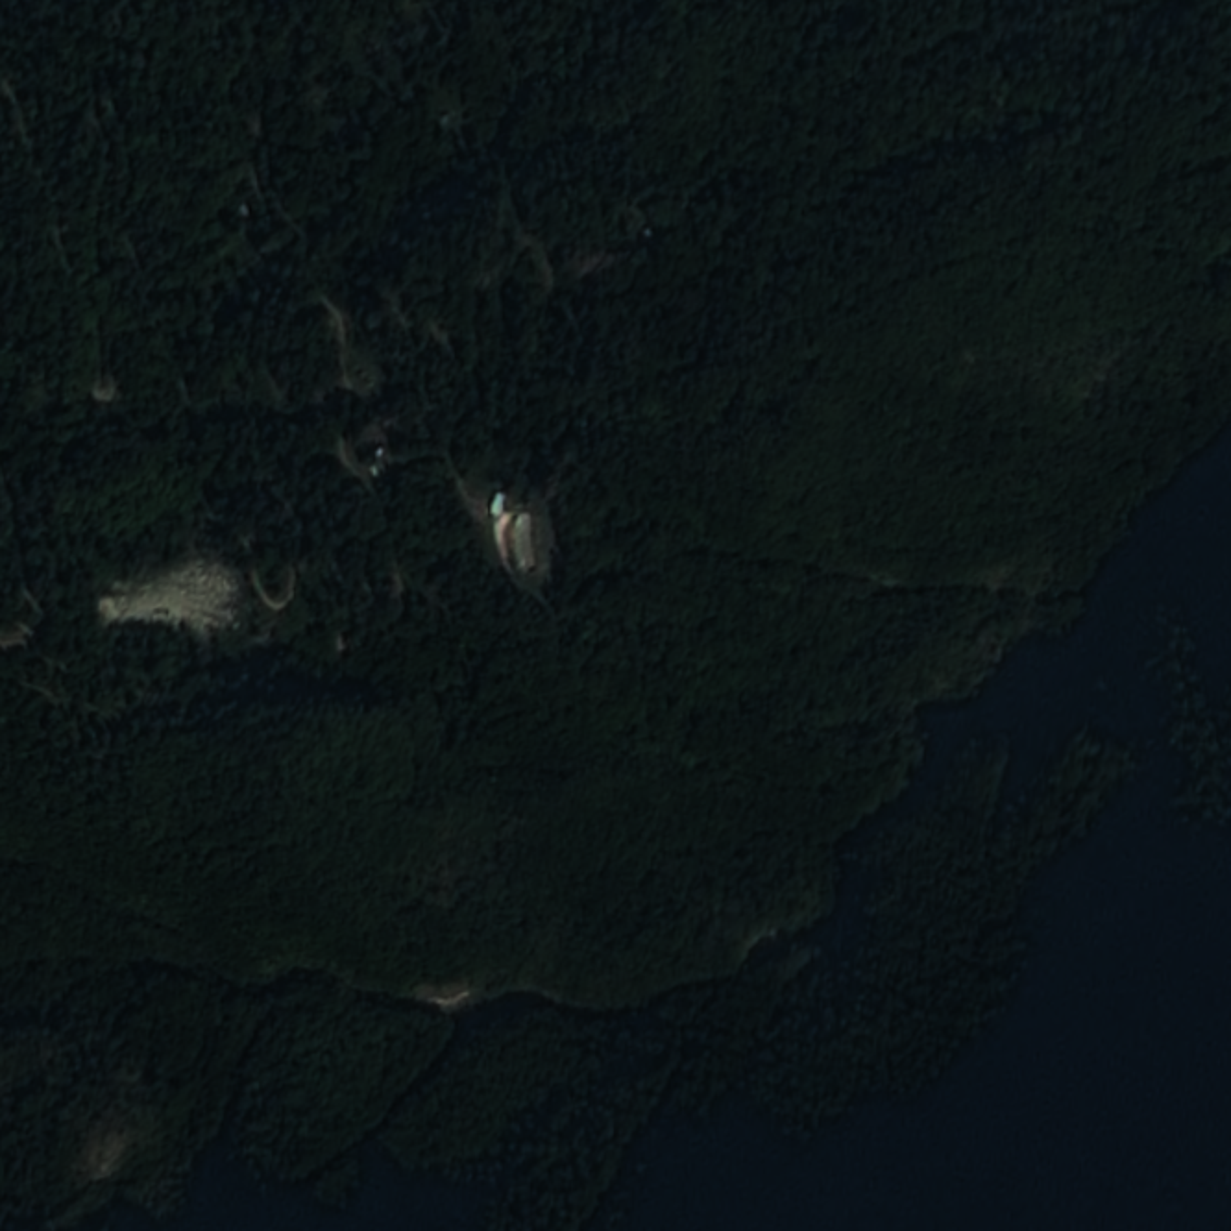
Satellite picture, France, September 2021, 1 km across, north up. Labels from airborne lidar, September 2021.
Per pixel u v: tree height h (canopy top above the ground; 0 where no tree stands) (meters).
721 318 24
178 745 23
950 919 27
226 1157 12
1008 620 13
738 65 26
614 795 12
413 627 16
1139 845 31
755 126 24
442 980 13
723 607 34
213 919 10
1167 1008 29
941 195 26
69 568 16
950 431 27
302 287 23
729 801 20
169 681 18
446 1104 18
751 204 31
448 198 18
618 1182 22
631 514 28
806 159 24
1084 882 32
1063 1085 29
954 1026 38
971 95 26
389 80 25
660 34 24
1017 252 25
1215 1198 22
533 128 28
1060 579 20
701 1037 22
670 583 30
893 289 20
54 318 20
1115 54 28
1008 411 33
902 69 22
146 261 21
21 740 13
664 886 16
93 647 21
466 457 16
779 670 25
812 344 24
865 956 21
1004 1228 27
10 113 22
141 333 12
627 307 26
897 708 14
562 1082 18
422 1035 15
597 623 27
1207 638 35
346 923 15
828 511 21
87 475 30
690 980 16
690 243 31
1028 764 21
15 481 16
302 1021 12
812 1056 27
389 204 21
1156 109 27
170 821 19
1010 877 21
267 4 21
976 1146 27
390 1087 12
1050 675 10
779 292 12
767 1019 24
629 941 17
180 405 16
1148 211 19
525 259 7
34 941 13
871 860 16
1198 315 24
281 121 28
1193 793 34
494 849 9
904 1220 23
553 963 15
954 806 19
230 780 31
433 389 20
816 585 23
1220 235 29
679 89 21
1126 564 21
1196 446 32
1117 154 26
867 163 32
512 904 16
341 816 20
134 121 24
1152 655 14
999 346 19
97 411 20
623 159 20
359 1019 14
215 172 19
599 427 22
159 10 21
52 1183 11
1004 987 38
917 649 17
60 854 17
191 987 25
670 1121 30
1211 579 25
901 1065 32
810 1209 29
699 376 24
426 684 17
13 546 13
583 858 19
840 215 26
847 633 19
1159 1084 32
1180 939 29
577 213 24
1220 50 26
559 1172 23
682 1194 30
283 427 20
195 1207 10
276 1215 13
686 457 27
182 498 19
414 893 10
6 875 13
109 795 21
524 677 18
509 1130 21
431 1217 16
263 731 17
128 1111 16
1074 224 22
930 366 24
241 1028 12
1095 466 26
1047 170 26
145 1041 19
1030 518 25
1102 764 25
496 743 24
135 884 10
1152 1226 24
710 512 29
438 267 24
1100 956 33
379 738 13
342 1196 18
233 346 15
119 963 14
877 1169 30
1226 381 27
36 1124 16
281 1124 14
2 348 18
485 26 6
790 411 25
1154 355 20
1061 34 23
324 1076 17
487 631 23
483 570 24
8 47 17
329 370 24
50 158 19
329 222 22
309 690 9
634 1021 14
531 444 25
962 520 25
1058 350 19
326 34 28
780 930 12
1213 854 30
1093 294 24
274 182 22
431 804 12
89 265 21
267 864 18
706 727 19
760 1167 27
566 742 25
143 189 19
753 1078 24
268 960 16
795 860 19
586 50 18
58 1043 8
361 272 16
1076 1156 22
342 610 13
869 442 24
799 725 15
